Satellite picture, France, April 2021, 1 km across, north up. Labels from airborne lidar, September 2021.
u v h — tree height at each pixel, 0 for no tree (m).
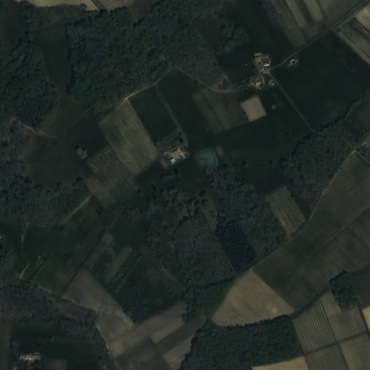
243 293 0
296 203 0
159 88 0
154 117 0
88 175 0
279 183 0
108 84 25
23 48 22
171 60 20
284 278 0
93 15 11
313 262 0
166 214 0
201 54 18
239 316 0
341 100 0
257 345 23
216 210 0
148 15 16
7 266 21
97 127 0
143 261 0
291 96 0
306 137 0
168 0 18
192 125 0
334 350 0
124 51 29
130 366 0
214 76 19
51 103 23
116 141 0
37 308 18
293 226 0
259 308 0
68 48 0
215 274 15
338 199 0
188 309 8
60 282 0
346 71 0
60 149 0
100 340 20
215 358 22
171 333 0
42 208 21
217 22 0
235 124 0
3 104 27
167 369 0
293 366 0
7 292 21
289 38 0
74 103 0
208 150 0
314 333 0
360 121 0
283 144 0
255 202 24
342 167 0
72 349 0
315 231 0
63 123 0
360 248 0
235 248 10
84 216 0
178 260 8
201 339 24
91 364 0
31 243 0
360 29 0
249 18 0
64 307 0
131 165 0
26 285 13
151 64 19
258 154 0
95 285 0
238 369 22
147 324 0
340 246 0
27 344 0
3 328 0
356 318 0
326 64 0
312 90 0
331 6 0
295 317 0
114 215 0
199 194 0
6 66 25
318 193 11
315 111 0
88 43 21
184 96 0
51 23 9
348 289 21
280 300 0
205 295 21
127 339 0
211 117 0
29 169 15
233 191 21
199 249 16
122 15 18
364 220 0
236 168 17
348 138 18
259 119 0
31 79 27
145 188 0
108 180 0
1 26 0
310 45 0
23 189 24
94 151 0
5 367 0
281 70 0
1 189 21
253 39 0
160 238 8
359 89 0
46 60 0
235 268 16
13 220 21
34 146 0
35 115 26
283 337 23
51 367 0
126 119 0
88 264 0
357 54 0
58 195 18
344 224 0
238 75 0
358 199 0
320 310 0
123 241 0
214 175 20
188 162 0
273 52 0
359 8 0
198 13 20
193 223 20
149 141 0
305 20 0
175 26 23
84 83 21
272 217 20
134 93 15
